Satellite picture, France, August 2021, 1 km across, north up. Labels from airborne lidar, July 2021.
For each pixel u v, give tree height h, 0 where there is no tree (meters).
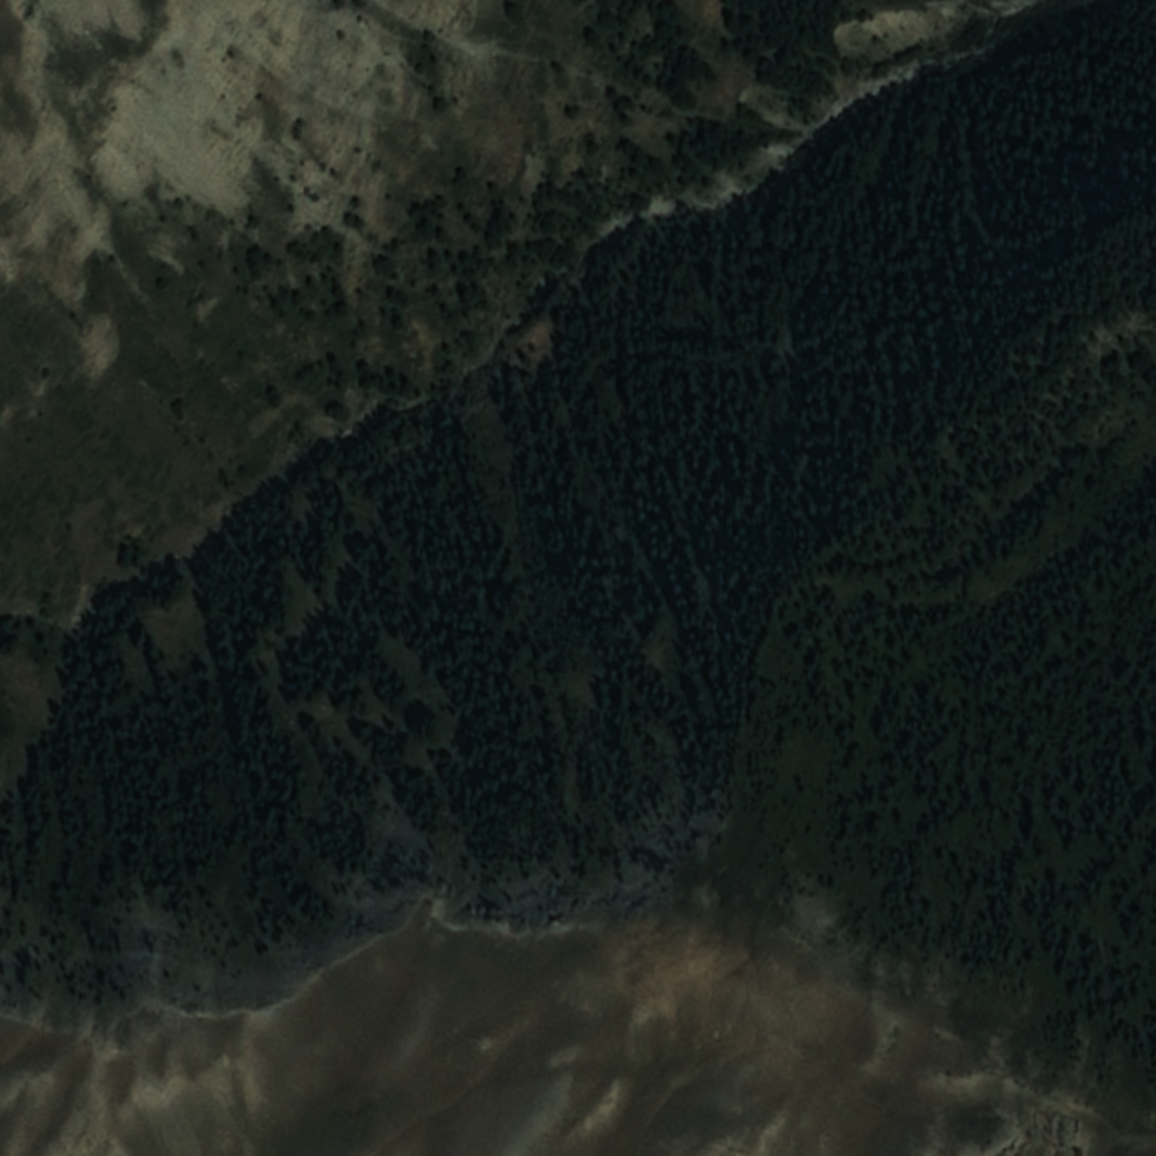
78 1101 0
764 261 15
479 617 18
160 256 0
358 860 7
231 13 0
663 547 12
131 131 0
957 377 18
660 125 0
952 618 19
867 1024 0
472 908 0
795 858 0
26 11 0
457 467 7
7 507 0
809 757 0
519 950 0
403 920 0
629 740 13
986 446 18
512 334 10
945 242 15
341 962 0
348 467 7
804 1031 0
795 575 13
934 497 24
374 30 0
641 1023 0
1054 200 11
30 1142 0
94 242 0
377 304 0
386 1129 0
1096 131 21
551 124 0
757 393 19
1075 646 19
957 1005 0
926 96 20
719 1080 0
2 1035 0
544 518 11
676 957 0
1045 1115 0
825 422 15
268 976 0
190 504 0
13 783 0
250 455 0
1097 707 8
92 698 8
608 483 15
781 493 14
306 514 0
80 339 0
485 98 0
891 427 11
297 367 0
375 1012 0
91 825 9
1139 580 8
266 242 0
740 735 9
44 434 0
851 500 10
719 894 0
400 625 22
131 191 0
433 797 8
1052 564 9
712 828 0
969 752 13
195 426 0
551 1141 0
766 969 0
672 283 15
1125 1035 11
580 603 8
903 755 14
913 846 6
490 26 0
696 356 19
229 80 0
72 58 0
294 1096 0
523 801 13
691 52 16
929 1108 0
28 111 0
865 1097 0
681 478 18
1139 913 13
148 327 0
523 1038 0
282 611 18
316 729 13
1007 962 6
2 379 0
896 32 0
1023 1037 0
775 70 23
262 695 19
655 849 0
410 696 20
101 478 0
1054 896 5
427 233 19
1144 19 16
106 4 0
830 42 26
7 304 0
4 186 0
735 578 16
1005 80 15
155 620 0
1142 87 19
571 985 0
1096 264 17
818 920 0
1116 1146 0
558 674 9
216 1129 0
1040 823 12
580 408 15
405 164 0
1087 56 7
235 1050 0
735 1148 0
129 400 0
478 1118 0
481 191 0
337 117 0
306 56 0
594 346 21
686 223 7
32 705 0
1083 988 10
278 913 7
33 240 0
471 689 7
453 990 0
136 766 11
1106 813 15
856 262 18
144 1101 0
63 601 0
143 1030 0
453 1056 0
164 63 0
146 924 0
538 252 13
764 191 7
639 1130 0
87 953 0
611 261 13
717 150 14
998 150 16
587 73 0
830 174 19
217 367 0
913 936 8
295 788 15
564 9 0
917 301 16
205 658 0
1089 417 23
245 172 0
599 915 0
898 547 14
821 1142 0
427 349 0
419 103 0
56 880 0
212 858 9
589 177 16
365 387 20
